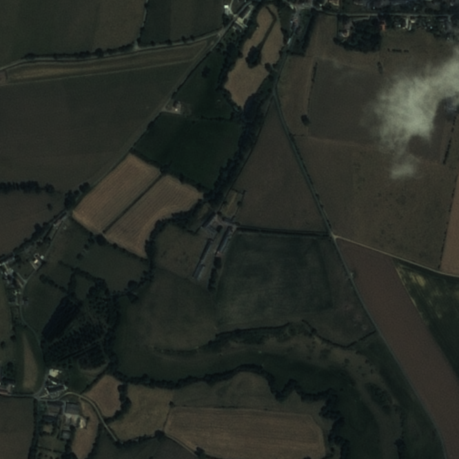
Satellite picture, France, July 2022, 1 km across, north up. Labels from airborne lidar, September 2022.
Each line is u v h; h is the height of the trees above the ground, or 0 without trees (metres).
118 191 0
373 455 0
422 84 0
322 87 0
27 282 0
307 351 0
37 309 0
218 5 0
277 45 0
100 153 0
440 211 0
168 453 0
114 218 0
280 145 0
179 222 13
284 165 0
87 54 14
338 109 0
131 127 0
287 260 0
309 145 0
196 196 0
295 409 0
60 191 0
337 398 12
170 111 0
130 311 0
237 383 0
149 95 0
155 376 0
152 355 0
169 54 0
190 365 0
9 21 0
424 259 0
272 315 0
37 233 13
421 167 0
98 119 0
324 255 0
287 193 0
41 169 0
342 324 0
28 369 0
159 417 0
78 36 0
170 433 0
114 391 0
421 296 0
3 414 0
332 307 0
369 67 0
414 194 0
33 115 0
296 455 0
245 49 0
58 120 0
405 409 0
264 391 0
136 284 15
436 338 0
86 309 0
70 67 0
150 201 0
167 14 0
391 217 0
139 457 0
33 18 0
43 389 0
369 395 0
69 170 0
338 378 0
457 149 0
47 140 0
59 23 0
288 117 0
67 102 0
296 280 0
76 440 0
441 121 0
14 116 0
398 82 0
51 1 0
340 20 16
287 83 0
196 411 0
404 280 0
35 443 8
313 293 0
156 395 0
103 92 0
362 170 0
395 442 0
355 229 0
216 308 0
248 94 0
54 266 0
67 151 0
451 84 0
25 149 0
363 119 0
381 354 0
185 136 0
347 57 0
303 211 0
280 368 0
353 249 0
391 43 0
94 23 0
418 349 0
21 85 0
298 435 0
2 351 0
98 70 0
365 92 0
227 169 12
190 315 0
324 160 0
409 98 0
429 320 0
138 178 0
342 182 0
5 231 0
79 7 0
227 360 0
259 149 0
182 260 0
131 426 0
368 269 0
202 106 0
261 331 6
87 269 0
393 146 0
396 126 0
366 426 0
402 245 0
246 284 0
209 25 0
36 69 0
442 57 0
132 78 0
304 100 0
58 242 0
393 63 0
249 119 28
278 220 0
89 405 0
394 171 0
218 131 0
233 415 0
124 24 0
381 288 0
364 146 0
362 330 0
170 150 0
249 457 0
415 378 0
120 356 0
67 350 10
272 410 0
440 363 0
